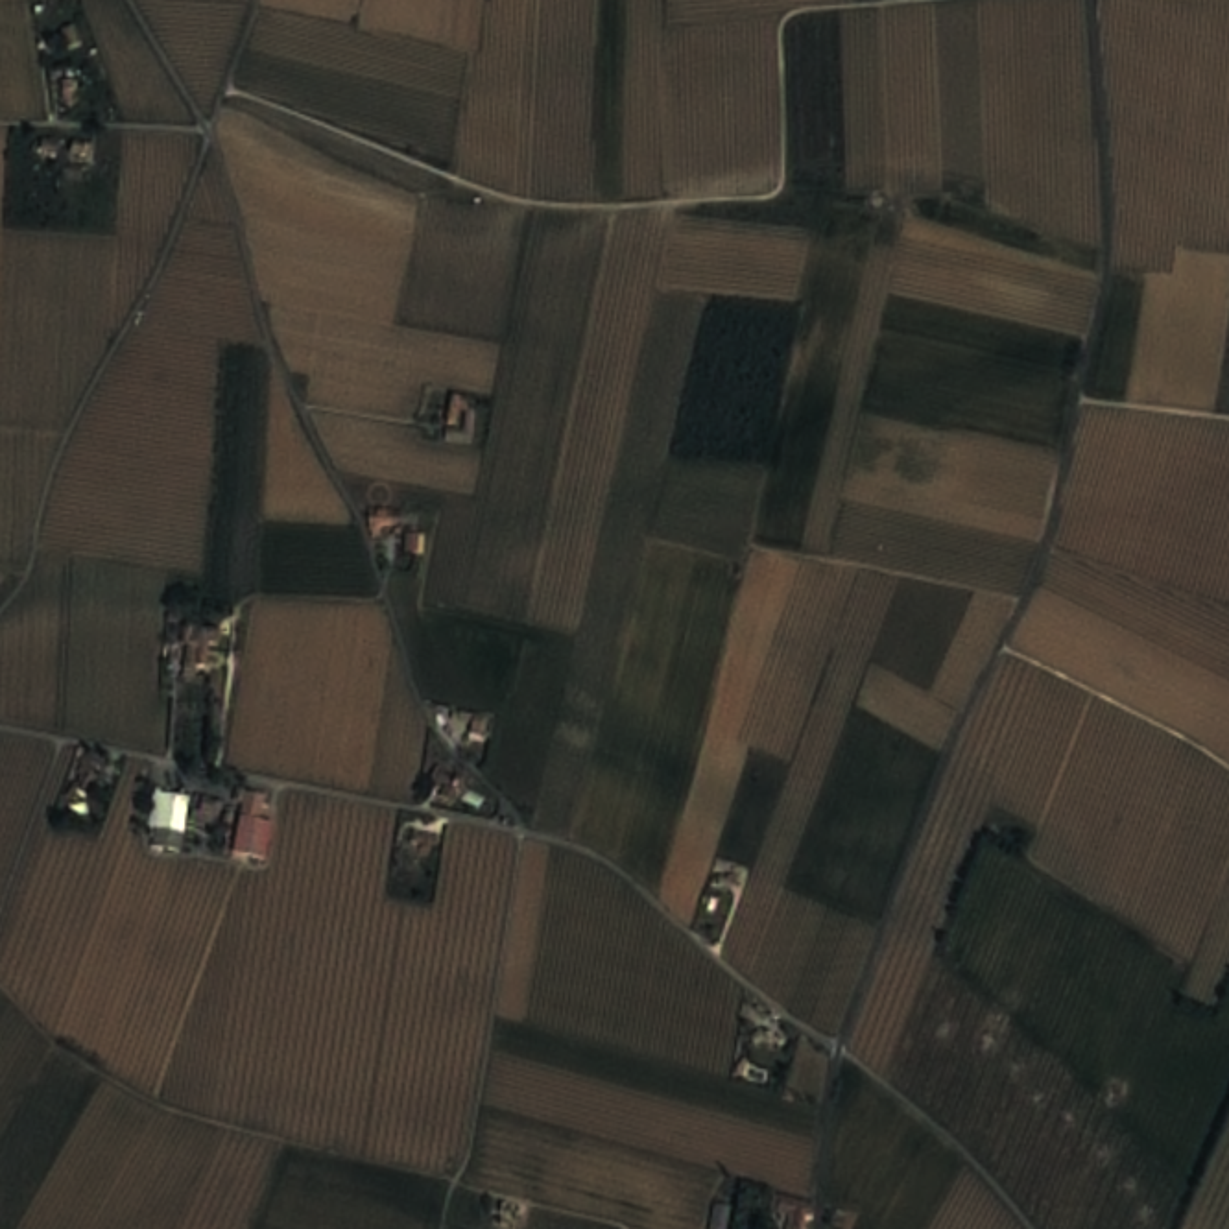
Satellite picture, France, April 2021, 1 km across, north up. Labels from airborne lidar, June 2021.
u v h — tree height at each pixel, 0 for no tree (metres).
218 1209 0
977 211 0
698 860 0
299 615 0
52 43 12
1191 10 0
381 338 0
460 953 0
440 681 0
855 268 0
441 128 0
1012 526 0
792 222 0
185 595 8
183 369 0
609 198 0
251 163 0
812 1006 0
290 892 0
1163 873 0
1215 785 0
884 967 0
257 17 0
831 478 0
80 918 0
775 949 0
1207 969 0
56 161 7
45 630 0
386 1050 0
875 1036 0
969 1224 0
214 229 0
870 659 0
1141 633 0
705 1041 0
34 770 0
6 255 0
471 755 9
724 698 0
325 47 0
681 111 0
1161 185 0
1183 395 0
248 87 0
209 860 0
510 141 0
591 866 0
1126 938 0
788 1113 0
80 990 0
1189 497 0
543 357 0
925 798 0
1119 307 0
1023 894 0
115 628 0
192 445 0
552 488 0
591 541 0
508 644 0
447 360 0
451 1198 0
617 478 0
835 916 0
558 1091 0
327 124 0
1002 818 0
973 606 0
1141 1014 0
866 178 0
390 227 0
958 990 0
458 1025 0
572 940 0
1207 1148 7
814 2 0
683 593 0
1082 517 0
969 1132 0
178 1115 0
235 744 0
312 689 0
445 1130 0
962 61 0
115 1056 0
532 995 0
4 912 0
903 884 0
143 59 0
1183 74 0
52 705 0
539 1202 0
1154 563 0
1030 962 0
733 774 0
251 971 0
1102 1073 0
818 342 0
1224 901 0
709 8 0
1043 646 0
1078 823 0
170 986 0
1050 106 0
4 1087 0
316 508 0
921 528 0
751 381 7
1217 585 0
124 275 0
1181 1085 0
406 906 0
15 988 0
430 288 0
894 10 0
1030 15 0
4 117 0
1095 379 0
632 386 0
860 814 0
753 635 0
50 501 0
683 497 0
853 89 0
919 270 0
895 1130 0
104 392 0
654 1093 0
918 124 0
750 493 0
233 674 0
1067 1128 0
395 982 0
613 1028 0
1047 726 0
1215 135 0
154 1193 0
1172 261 0
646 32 0
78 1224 0
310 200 0
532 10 0
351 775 0
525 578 0
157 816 0
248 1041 0
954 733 0
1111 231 0
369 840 0
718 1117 0
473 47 0
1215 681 0
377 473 0
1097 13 0
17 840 0
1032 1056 0
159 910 0
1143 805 0
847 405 0
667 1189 0
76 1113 0
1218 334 0
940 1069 0
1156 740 0
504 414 0
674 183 0
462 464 0
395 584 0
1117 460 0
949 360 0
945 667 0
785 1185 0
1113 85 0
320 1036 0
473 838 0
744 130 0
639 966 0
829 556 0
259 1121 0
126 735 0
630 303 0
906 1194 0
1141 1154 0
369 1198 0
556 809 0
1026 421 0
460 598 0
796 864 0
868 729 0
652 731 0
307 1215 0
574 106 0
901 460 0
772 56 0
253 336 0
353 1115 0
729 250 0
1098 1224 0
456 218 0
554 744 0
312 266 0
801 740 0
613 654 0
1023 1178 0
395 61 0
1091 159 0
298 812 0
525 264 0
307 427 0
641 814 0
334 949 0
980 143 0
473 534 0
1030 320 0
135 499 0
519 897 0
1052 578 0
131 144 0
